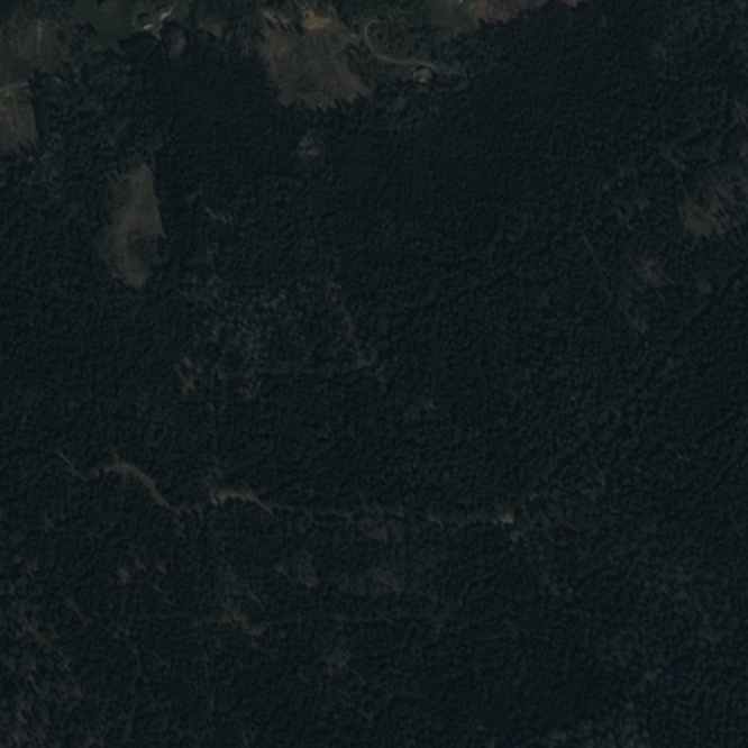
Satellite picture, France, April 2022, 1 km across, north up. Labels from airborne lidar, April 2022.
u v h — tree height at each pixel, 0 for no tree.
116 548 17
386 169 17
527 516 23
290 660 15
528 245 15
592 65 16
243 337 32
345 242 20
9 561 12
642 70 21
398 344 17
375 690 11
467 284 21
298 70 0
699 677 28
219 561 19
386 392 22
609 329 29
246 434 14
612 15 20
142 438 16
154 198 0
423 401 9
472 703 18
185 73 13
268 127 12
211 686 8
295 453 14
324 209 27
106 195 26
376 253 21
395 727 20
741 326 24
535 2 23
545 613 20
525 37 20
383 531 18
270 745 21
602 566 23
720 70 20
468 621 19
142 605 12
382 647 16
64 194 26
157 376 16
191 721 14
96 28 0
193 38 21
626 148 22
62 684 27
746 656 26
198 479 10
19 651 33
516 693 22
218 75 16
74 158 31
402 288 27
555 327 23
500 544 14
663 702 24
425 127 15
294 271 27
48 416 20
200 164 16
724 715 22
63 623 9
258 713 13
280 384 6
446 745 22
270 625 19
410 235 13
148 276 0
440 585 13
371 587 14
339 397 13
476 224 19
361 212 16
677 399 25
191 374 18
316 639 11
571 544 25
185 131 19
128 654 18
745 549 29
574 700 13
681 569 23
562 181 19
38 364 18
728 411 18
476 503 28
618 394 28
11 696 14
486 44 21
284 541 11
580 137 20
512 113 17
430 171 15
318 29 0
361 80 25
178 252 20
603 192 20
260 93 15
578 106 14
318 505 22
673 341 25
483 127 16
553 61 17
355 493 15
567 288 30
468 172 17
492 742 18
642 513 17
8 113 0
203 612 10
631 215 24
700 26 6
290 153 19
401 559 12
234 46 11
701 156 20
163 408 9
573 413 29
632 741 27
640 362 31
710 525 26
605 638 27
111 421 19
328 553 18
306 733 17
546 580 27
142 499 15
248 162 19
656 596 22
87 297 21
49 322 19
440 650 16
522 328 26
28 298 26
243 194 26
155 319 8
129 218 0
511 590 22
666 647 22
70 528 15
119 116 25
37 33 0
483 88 15
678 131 26
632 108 16
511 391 25
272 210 28
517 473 18
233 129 16
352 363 20
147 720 21
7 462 26
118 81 18
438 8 0
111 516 21
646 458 13
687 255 32
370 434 14
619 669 15
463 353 24
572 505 25
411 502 32
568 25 17
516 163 18
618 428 22
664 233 30
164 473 17
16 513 20
